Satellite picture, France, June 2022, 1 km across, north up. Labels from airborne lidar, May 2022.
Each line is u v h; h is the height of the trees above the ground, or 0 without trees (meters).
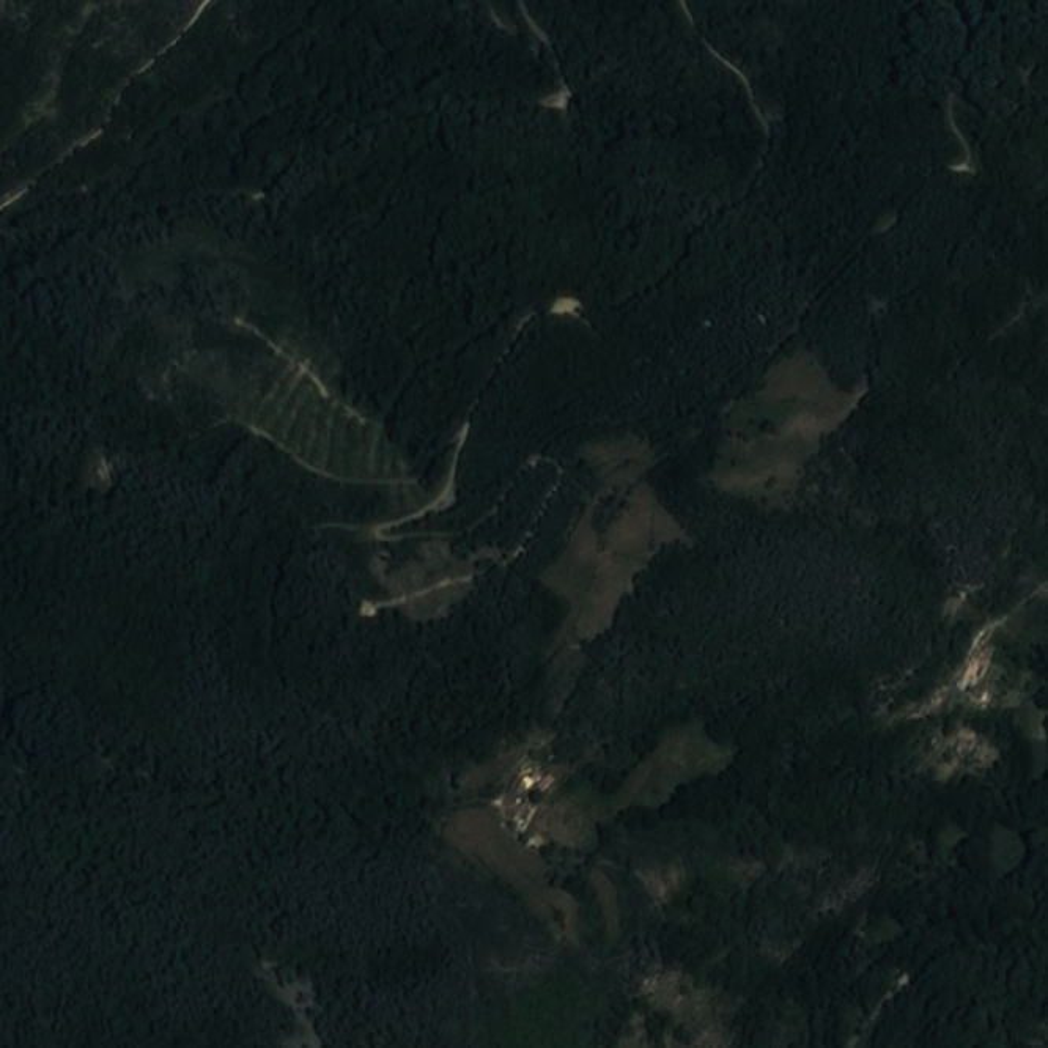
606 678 17
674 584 18
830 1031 21
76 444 13
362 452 0
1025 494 8
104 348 22
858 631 22
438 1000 18
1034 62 19
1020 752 11
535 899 0
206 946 23
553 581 0
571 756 11
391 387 9
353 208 9
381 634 14
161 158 16
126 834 21
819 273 11
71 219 17
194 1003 22
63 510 13
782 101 7
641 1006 13
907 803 24
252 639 11
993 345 10
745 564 19
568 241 22
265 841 16
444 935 20
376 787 21
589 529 0
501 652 15
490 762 10
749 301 14
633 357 11
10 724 20
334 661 20
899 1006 11
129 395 7
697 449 7
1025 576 8
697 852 6
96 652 23
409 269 13
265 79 18
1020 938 15
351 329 7
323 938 25
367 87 6
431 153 8
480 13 18
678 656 16
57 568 22
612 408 10
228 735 16
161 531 12
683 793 22
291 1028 9
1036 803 24
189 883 20
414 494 0
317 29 26
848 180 7
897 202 10
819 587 17
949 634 15
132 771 21
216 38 17
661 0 11
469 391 10
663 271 18
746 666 17
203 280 20
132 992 19
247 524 23
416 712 6
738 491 0
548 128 20
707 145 14
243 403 0
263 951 20
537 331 11
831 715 17
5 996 17
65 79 9
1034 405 12
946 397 17
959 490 15
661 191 22
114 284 19
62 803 19
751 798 16
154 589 19
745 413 0
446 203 15
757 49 12
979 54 39
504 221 18
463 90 22
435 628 14
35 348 15
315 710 20
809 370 0
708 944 19
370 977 12
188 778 24
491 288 13
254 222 25
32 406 22
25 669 18
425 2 20
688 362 12
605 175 29
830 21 9
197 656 24
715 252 16
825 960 19
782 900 13
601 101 19
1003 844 0
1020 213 21
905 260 10
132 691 17
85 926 24
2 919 29
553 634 13
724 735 19
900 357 12
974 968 17
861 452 18
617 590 0
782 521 12
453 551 7
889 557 17
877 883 7
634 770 9
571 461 9
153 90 21
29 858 17
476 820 0
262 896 21
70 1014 20
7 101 17
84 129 10
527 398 16
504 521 11
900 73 35
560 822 0
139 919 19
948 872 12
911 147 12
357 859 27
